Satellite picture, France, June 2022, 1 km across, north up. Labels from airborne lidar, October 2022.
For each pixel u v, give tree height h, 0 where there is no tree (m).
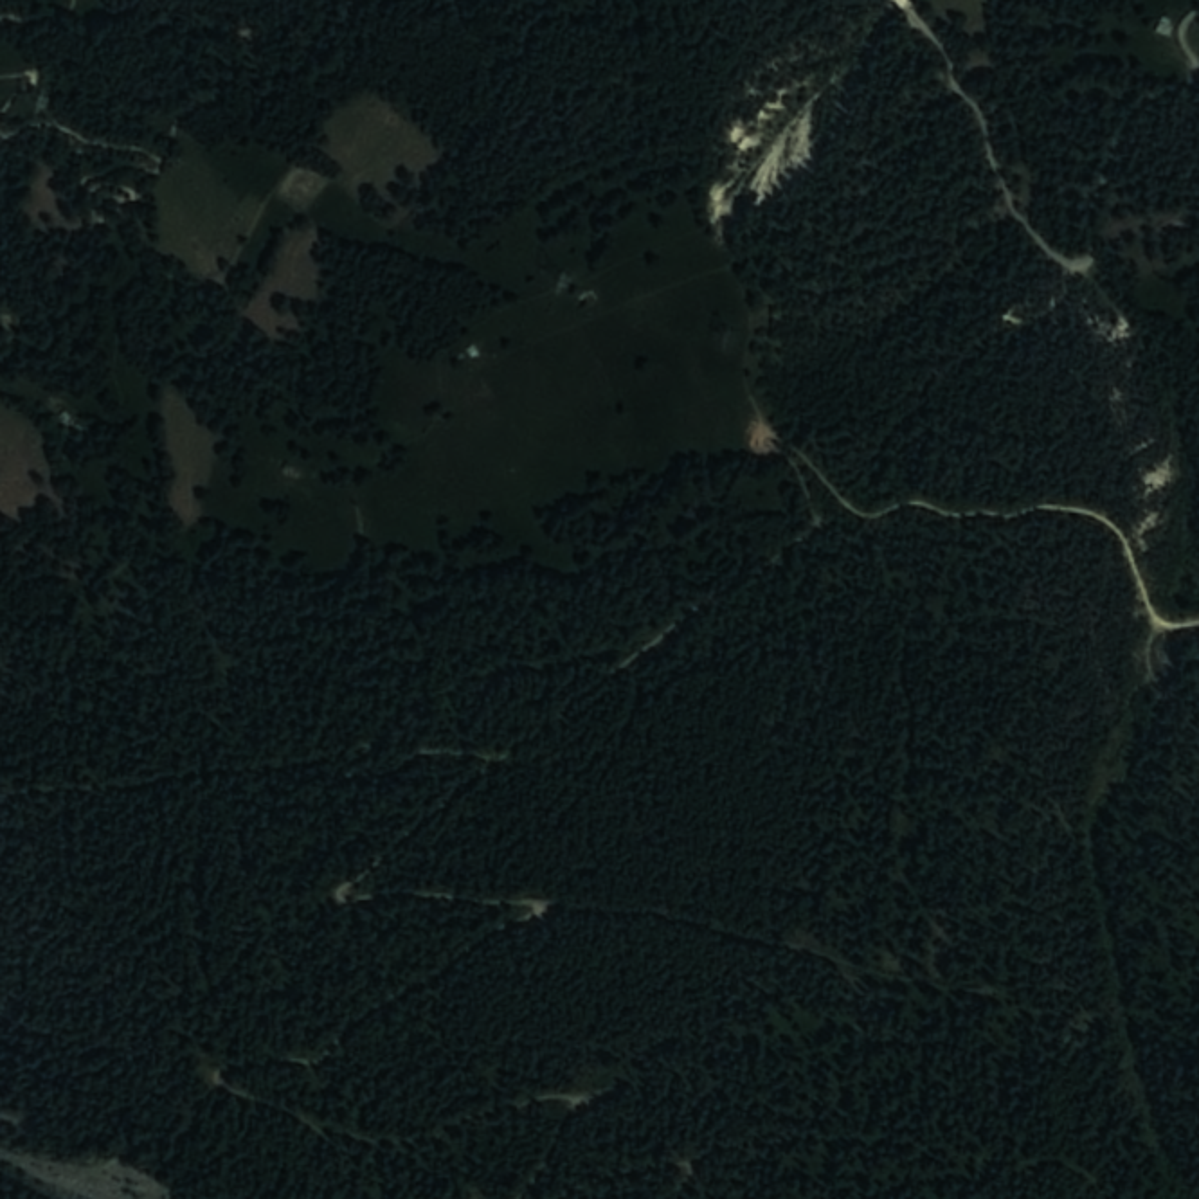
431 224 18
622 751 24
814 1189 25
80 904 19
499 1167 8
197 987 27
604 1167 9
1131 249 13
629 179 14
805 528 22
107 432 21
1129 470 15
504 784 17
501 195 15
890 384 13
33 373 14
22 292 25
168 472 19
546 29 31
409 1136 23
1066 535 18
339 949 25
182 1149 10
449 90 19
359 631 30
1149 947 29
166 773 7
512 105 23
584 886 24
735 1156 20
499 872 14
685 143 24
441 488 0
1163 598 7
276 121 18
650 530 26
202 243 0
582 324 0
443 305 17
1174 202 17
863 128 14
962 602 13
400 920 6
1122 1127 32
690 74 30
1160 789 16
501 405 0
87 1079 29
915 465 16
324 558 0
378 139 0
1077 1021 13
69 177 11
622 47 34
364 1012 22
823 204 19
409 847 14
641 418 0
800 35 11
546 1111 12
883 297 13
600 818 21
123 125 8
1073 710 17
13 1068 18
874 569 13
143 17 23
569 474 0
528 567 19
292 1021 9
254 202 0
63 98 16
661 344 0
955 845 7
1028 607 15
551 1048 23
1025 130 18
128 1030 21
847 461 23
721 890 25
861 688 16
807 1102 18
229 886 29
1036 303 11
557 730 23
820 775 27
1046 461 19
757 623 31
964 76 17
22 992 10
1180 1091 20
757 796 24
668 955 26
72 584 0
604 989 23
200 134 15
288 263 0
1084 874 18
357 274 18
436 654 15
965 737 27
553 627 28
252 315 0
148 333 19
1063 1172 15
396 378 0
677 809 23
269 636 19
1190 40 0
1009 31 18
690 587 25
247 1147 24
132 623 24
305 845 26
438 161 0
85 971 18
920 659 21
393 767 8
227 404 21
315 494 0
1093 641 14
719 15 30
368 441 20
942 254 19
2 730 19
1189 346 25
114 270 26
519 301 12
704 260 0
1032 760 21
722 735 27
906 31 26
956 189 27
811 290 18
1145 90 14
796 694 17
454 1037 15
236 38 21
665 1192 17
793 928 29
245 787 20
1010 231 17
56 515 0
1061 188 19
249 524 0
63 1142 19
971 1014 9
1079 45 20
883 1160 21
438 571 26
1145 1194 31
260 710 14
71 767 14
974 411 12
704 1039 28
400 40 20
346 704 27
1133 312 22
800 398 14
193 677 18
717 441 0
